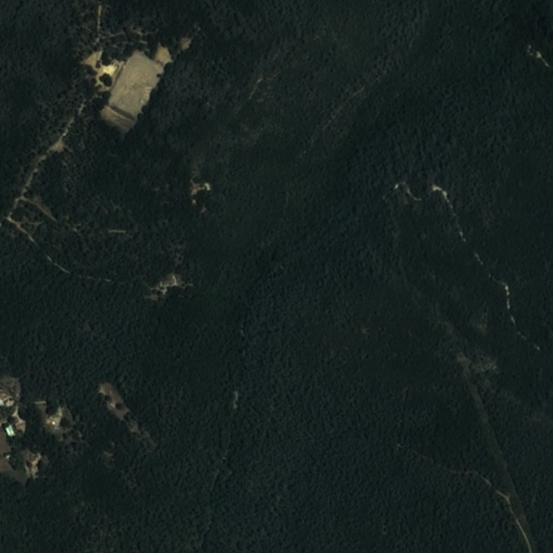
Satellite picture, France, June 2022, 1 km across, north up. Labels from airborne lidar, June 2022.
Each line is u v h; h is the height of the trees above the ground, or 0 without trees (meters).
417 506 16
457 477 14
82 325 14
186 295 9
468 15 14
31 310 15
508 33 17
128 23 21
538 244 13
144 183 16
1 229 7
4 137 16
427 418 18
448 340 13
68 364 17
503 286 16
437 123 11
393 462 14
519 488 11
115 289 12
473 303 9
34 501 15
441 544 11
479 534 9
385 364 9
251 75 7
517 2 19
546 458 8
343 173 16
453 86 16
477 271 11
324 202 21
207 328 14
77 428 12
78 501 11
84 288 9
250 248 11
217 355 15
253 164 7
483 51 8
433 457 15
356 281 9
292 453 17
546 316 7
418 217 14
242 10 9
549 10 27
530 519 8
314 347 7
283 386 17
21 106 16
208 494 10
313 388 16
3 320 15
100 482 13
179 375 13
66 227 12
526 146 10
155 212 10
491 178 10
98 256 8
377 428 21
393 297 9
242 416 19
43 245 11
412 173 8
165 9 17
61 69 9
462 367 8
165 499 8
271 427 21
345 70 9
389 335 11
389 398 10
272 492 14
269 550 13
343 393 9
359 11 9
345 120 6
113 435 14
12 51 18
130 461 10
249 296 15
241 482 21
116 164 14
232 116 7
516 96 14
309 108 10
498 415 15
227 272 9
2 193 13
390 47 17
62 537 17
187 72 21
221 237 13
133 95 0
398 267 19
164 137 9
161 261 9
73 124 9
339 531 17
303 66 7
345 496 14
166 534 14
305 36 20
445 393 11
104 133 12
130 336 13
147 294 14
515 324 17
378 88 6
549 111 15
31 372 16
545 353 13
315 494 15
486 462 10
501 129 12
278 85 7
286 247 18
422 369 11
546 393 11
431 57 13
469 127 12
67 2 7
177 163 12
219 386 14
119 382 22
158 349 14
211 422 17
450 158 15
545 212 14
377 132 7
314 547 14
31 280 15
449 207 22
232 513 18
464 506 15
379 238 17
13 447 7
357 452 18
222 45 11
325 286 14
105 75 10
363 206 23
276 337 17
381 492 17
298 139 8
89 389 9
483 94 13
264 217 11
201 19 9
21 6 11
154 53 13
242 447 18
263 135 7
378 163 10
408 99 14
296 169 9
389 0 9
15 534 7
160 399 19
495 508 16
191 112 20
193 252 10
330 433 18
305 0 17
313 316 8
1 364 16
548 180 15
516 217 8
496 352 11
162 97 18
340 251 11
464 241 11
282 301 8
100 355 15
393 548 17
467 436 15
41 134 15
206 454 10
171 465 16
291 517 16
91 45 8
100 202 17
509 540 10
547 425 10
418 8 6
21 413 11
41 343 12
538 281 10
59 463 13
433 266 11
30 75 19
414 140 20
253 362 21
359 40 7
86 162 14
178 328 18
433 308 8
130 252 9
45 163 11
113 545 7
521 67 23
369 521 9
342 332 11
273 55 6
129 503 12
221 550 24
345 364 7
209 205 12
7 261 15
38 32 16
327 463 18
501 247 9
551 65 9
